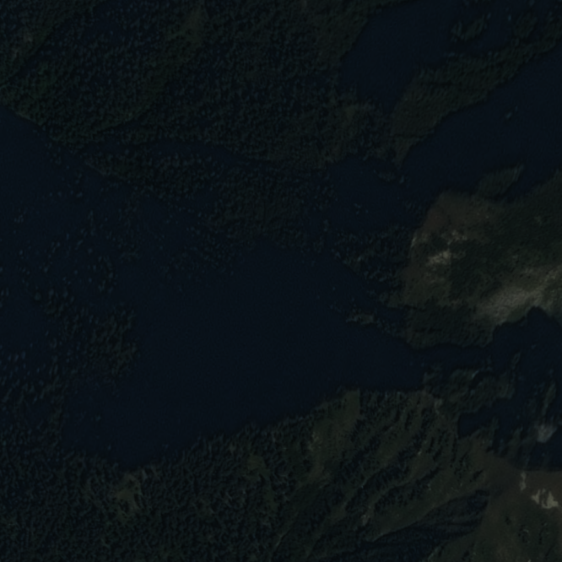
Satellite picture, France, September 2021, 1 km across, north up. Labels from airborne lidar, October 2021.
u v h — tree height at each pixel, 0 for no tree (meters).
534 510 0
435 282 0
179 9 11
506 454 0
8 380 27
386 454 0
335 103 9
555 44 10
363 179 8
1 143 15
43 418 7
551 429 0
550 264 0
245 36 10
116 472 6
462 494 0
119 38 25
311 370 7
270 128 10
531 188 10
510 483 0
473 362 8
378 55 0
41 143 11
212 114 14
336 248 8
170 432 9
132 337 6
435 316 6
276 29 7
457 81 12
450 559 0
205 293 5
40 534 29
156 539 11
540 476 0
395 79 9
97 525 12
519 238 6
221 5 10
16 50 10
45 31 16
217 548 7
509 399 0
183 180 11
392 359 0
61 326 8
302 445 9
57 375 7
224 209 9
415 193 7
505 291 0
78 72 26
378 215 10
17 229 23
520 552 0
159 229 7
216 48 10
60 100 22
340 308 6
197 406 11
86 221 7
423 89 10
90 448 9
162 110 22
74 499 30
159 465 12
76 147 11
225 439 8
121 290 9
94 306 8
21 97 14
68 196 16
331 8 6
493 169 11
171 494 26
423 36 11
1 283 12
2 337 11
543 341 7
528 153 8
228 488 29
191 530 27
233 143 9
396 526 0
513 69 12
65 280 10
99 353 8
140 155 17
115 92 21
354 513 6
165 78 7
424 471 0
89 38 19
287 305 5
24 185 17
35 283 11
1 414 7
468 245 5
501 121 12
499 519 0
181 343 6
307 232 6
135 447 6
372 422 9
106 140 14
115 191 7
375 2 9
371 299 6
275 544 7
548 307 0
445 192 10
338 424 0
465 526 0
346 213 6
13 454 27
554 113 11
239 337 6
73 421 9
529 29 18
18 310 8
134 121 12
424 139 11
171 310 10
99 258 12
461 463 7
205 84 16
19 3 23
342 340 7
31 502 7
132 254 8
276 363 7
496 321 0
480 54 13
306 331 12
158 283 8
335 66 6
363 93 21
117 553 25
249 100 12
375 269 7
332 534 5
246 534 31
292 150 8
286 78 12
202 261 9
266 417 8
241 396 11
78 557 8
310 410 9
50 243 13
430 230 0
